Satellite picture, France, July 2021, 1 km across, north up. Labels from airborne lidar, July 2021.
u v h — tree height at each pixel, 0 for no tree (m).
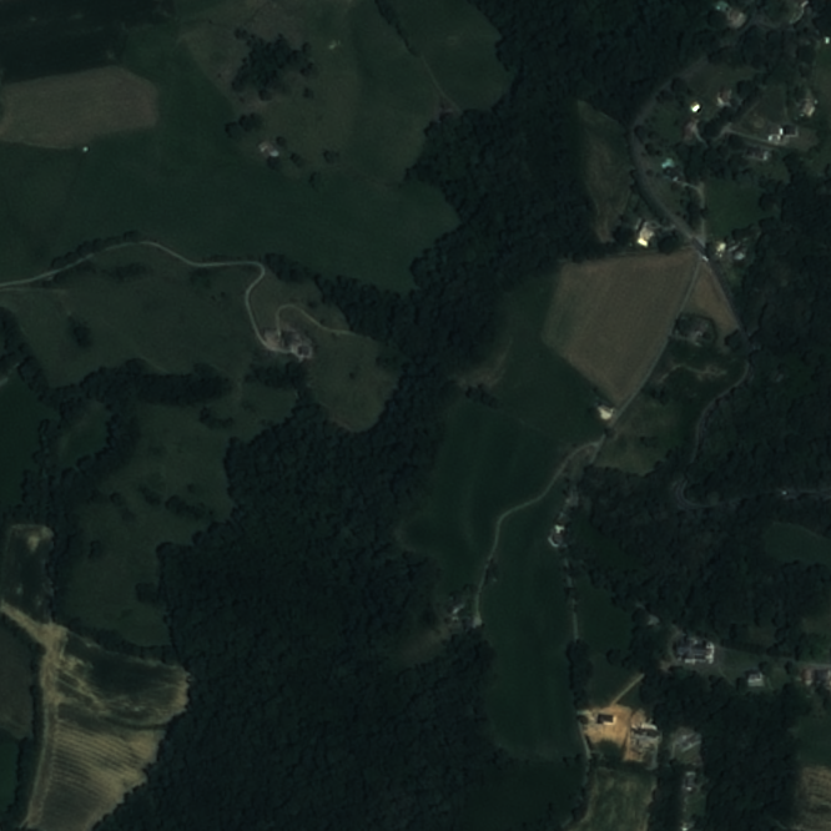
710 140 12
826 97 0
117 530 0
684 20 10
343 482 21
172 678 0
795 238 19
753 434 25
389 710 13
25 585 0
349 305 24
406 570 27
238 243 0
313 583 15
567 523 6
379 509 26
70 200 0
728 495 22
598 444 0
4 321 14
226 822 25
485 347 13
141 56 0
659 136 9
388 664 23
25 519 10
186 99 0
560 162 18
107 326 0
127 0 0
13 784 0
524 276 16
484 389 13
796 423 23
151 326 0
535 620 0
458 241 20
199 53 0
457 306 18
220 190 0
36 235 0
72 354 0
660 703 15
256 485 20
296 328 0
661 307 0
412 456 21
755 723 27
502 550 0
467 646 21
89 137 0
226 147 0
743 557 25
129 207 0
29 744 18
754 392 6
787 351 16
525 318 0
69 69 0
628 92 22
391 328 15
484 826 0
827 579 23
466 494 0
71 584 16
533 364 0
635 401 0
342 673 21
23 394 0
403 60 0
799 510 16
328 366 0
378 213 0
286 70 23
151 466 0
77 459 0
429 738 30
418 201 0
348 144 0
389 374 0
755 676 0
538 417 0
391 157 0
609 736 0
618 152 0
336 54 0
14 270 0
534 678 0
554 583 0
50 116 0
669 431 0
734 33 16
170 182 0
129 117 0
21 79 0
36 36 0
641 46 24
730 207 0
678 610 27
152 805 19
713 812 16
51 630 0
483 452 0
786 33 11
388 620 34
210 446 0
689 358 0
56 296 0
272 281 0
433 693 13
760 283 16
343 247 0
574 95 15
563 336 0
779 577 21
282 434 21
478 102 0
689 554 21
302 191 0
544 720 0
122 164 0
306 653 11
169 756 29
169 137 0
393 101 0
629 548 15
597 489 17
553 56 25
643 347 0
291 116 0
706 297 0
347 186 0
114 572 0
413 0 0
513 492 0
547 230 21
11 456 0
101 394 25
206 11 0
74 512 26
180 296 0
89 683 0
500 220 23
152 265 0
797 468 13
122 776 0
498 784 0
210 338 0
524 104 17
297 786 26
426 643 0
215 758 26
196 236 0
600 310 0
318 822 21
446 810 20
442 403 21
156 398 15
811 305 22
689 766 6
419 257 0
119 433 27
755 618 8
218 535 24
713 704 24
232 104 0
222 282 0
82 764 0
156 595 7
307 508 26
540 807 0
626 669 15
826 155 0
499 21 23
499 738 0
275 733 29
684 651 0
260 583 13
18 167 0
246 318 0
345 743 29
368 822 19
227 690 25
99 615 0
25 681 0
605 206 0
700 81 0
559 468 0
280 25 0
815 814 0
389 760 35
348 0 0
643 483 22
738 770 24
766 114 0
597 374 0
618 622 0
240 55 0
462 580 0
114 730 0
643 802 0
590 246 19
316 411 15
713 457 11
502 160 17
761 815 17
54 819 0
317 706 9
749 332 14
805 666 25
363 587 32
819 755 0
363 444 24
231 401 0
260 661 29
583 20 30
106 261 0
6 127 0
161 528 0
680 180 8
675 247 18
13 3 0
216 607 26
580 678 18
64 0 0
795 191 23
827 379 19
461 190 16
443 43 0
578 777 0
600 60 22
